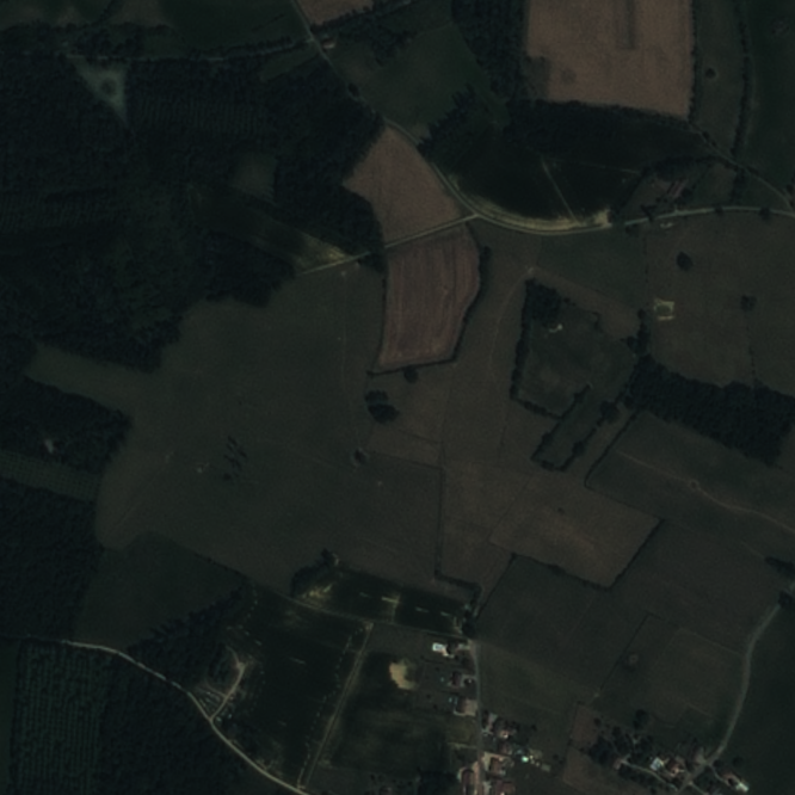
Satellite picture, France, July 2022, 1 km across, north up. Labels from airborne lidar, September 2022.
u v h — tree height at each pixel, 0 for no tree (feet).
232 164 51
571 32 0
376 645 0
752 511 0
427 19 0
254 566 0
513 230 0
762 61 0
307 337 0
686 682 0
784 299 0
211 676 29
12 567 75
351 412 0
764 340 0
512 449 0
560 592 0
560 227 0
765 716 0
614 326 0
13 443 61
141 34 37
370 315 0
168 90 44
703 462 0
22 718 59
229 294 57
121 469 0
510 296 0
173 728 60
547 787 0
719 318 0
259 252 40
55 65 70
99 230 65
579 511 0
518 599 0
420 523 0
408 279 0
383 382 0
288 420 0
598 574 0
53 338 64
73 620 68
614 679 0
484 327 0
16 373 106
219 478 0
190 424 0
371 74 0
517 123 44
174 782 72
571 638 0
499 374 0
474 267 0
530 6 0
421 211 0
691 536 0
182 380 0
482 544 0
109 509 0
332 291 0
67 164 94
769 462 38
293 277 42
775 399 62
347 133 83
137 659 48
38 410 72
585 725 0
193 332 0
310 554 0
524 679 0
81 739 61
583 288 0
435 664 0
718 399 40
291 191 59
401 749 0
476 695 0
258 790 0
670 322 0
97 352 73
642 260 0
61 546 64
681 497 0
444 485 0
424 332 0
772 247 0
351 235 58
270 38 0
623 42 0
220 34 0
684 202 38
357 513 0
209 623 65
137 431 0
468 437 0
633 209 0
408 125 0
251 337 0
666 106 0
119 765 66
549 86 0
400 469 0
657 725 0
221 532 0
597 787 0
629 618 0
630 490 0
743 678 0
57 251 27
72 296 46
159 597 0
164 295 19
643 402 33
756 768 0
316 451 0
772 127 0
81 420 58
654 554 0
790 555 0
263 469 0
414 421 0
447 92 0
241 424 0
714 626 0
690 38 0
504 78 37
